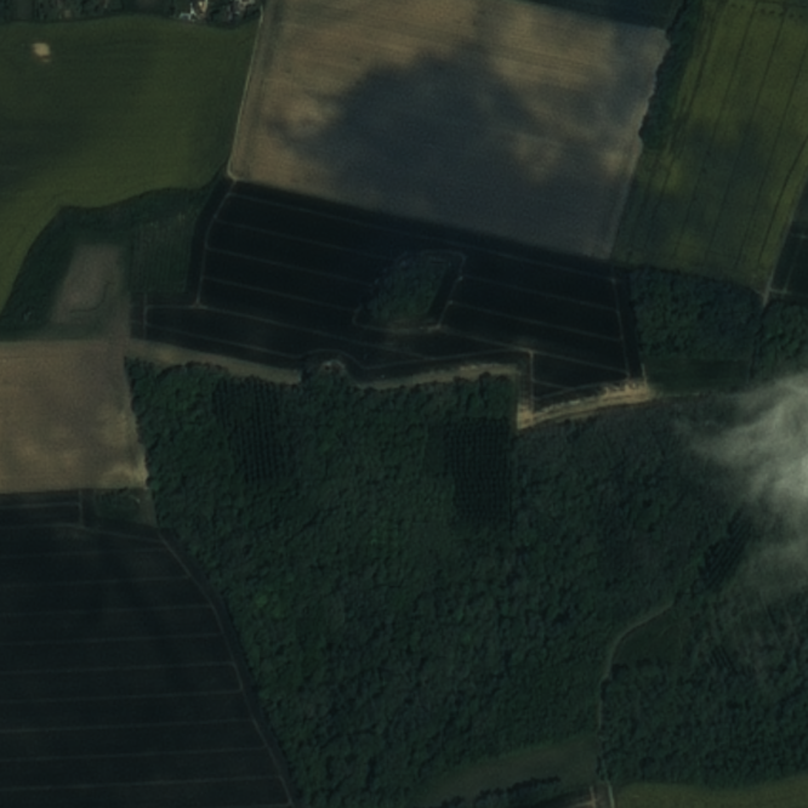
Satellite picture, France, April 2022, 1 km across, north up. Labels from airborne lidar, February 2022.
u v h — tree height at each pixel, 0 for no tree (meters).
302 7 0
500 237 0
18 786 0
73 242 0
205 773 0
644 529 19
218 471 17
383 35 0
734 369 0
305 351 0
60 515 0
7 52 0
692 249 0
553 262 0
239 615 16
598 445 26
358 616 22
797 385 10
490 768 0
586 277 0
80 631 0
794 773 17
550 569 19
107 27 0
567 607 22
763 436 24
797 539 11
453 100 0
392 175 0
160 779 0
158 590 0
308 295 0
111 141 0
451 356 0
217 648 0
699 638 18
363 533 19
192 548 19
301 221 0
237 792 0
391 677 21
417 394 13
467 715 16
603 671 14
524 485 18
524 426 0
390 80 0
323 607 22
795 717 21
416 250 0
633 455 25
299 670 20
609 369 0
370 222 0
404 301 22
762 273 0
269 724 16
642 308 18
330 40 0
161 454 14
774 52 0
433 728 23
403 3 0
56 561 0
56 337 0
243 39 0
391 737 19
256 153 0
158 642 0
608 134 0
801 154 0
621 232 0
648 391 0
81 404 0
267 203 0
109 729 0
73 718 0
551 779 0
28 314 6
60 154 0
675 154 0
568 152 0
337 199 0
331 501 17
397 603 31
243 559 19
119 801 0
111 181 0
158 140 0
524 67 0
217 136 0
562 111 0
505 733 13
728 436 23
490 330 0
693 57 0
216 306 0
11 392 0
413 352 0
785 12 0
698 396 0
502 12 0
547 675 13
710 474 22
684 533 21
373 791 14
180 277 0
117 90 0
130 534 0
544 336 0
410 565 18
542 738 9
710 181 0
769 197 0
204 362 0
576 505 21
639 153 0
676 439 25
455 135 0
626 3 0
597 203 0
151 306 0
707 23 0
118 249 0
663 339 17
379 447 18
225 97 0
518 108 0
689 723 25
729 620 21
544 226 0
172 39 0
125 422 0
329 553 17
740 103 0
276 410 9
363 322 0
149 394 16
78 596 0
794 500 22
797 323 18
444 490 17
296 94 0
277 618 25
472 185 0
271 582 25
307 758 18
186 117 0
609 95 0
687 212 0
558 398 0
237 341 0
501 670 7
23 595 0
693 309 20
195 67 0
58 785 0
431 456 12
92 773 0
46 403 0
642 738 29
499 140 0
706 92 0
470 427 10
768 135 0
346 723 21
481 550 12
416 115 0
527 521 18
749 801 0
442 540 19
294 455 19
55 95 0
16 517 0
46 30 0
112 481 0
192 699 0
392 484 17
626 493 26
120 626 0
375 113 0
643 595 17
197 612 0
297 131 0
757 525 15
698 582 9
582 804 0
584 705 16
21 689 0
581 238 0
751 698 25
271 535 16
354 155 0
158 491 6
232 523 17
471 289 0
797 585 18
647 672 28
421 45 0
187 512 12
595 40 0
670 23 0
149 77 0
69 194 0
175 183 0
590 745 0
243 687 0
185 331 0
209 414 17
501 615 23
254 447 10
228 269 0
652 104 11
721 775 17
